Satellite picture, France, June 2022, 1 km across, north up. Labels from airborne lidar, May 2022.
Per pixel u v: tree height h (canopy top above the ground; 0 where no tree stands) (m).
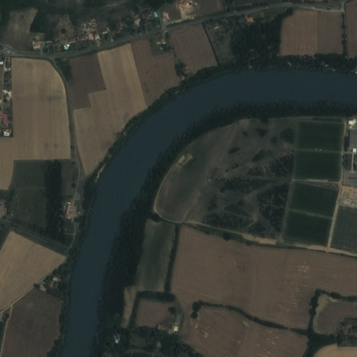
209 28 7
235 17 10
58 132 0
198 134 14
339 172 0
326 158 0
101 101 0
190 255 0
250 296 0
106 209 0
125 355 0
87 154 0
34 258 0
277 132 0
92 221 0
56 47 10
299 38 0
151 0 11
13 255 0
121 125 0
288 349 0
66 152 0
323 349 0
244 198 0
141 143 0
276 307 0
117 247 19
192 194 0
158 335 38
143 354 0
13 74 0
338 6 0
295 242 0
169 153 15
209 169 0
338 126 0
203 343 0
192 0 0
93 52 0
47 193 10
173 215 0
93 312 0
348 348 0
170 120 0
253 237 0
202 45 0
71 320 0
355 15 0
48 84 0
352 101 0
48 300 0
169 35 8
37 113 0
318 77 0
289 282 0
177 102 0
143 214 11
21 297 0
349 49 0
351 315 0
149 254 0
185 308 0
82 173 0
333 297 15
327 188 0
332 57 17
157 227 0
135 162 0
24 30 0
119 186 0
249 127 0
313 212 0
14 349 0
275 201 6
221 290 0
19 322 0
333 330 0
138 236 17
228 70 19
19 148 0
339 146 0
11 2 6
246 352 0
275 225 7
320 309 0
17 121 0
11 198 6
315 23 0
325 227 0
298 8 0
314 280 0
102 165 16
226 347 0
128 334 12
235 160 0
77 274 0
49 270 0
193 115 0
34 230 8
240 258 0
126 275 36
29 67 0
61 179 8
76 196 0
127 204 0
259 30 10
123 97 0
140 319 0
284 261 0
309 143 0
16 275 0
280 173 8
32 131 0
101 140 0
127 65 0
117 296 33
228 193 0
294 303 0
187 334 0
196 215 0
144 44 0
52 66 0
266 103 12
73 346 0
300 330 8
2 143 0
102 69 0
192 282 0
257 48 25
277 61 17
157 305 0
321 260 0
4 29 0
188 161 0
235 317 0
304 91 0
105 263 0
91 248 0
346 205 0
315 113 16
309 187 0
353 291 0
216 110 13
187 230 0
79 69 0
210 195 0
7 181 0
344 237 0
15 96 0
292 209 0
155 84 0
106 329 30
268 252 0
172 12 0
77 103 0
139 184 0
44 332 0
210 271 0
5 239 0
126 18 6
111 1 0
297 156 0
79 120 0
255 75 0
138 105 0
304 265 0
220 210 0
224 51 0
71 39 0
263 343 0
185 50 0
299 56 14
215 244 0
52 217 11
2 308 0
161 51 0
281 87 0
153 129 0
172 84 0
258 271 0
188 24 0
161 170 13
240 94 0
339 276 0
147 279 0
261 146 0
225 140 0
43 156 0
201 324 0
